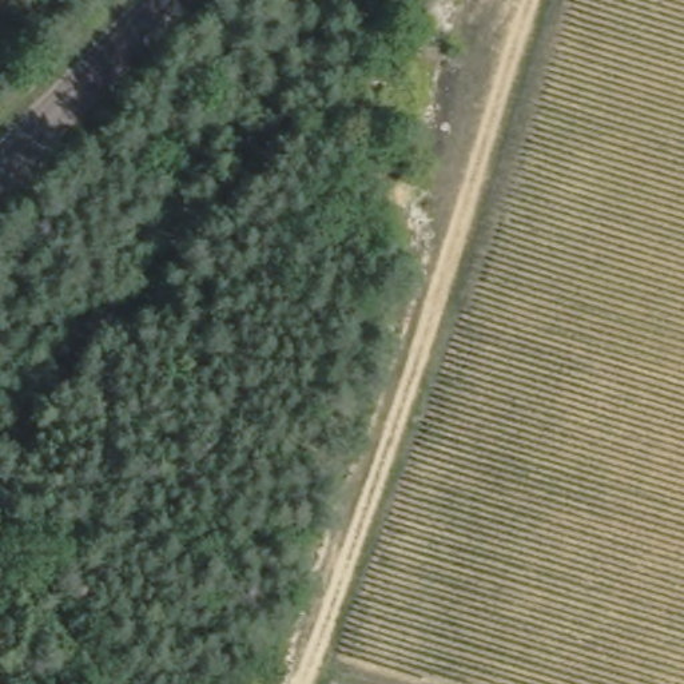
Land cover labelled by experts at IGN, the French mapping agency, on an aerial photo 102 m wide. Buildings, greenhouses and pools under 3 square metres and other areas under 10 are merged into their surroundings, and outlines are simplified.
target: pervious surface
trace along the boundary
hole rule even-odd
[[[516,0],[516,16],[500,45],[478,131],[468,155],[462,184],[457,190],[438,265],[428,283],[419,326],[409,353],[395,393],[377,444],[374,454],[369,478],[363,484],[342,550],[334,561],[331,580],[326,585],[321,601],[310,641],[302,652],[302,663],[291,676],[286,676],[283,684],[315,684],[361,548],[377,513],[385,481],[395,462],[398,444],[406,430],[425,366],[430,361],[430,347],[436,342],[436,331],[446,305],[473,224],[478,195],[486,182],[489,158],[502,126],[508,96],[518,75],[526,40],[534,27],[540,0]]]

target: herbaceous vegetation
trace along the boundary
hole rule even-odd
[[[382,390],[374,401],[366,436],[377,444],[395,393]]]
[[[21,11],[27,8],[24,0],[0,0],[0,51],[11,43],[11,37],[24,32],[19,21],[24,16]]]
[[[302,663],[302,652],[310,641],[321,601],[310,609],[302,609],[299,620],[291,628],[289,636],[286,676],[291,676]]]
[[[542,59],[542,51],[550,43],[548,32],[556,24],[564,0],[540,0],[534,27],[526,40],[518,75],[508,96],[502,126],[489,158],[486,182],[478,195],[473,224],[446,305],[454,313],[476,313],[478,299],[468,297],[468,283],[489,278],[489,267],[505,232],[502,198],[516,198],[518,192],[524,192],[524,184],[529,184],[524,168],[532,142],[542,128],[542,112],[553,83],[553,61]]]
[[[430,192],[403,182],[398,182],[393,190],[393,203],[406,216],[406,227],[411,232],[409,248],[419,259],[419,270],[425,275],[419,283],[414,283],[401,321],[398,347],[409,353],[419,326],[428,283],[438,265],[457,190],[462,184],[468,155],[478,131],[500,45],[516,16],[516,0],[436,0],[430,5],[430,13],[444,32],[449,37],[449,56],[457,56],[457,61],[452,69],[444,69],[438,75],[433,107],[425,107],[419,118],[422,123],[430,120],[433,152],[441,158],[441,174]]]
[[[358,452],[355,446],[337,454],[337,486],[329,492],[323,534],[318,556],[313,561],[313,572],[321,574],[326,585],[331,580],[334,561],[342,550],[363,484],[369,478],[374,454]]]

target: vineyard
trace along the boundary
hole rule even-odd
[[[468,283],[468,297],[478,299],[476,313],[454,313],[446,305],[436,331],[436,342],[430,347],[430,361],[425,366],[406,430],[398,444],[395,462],[385,481],[377,513],[361,548],[315,684],[684,684],[684,0],[564,0],[556,24],[548,32],[550,43],[542,51],[542,59],[553,61],[553,83],[542,112],[542,128],[532,142],[524,168],[529,184],[524,184],[524,192],[518,192],[516,198],[502,198],[505,232],[489,267],[489,278]]]

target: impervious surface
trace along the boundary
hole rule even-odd
[[[35,91],[27,99],[21,115],[13,115],[11,120],[0,123],[0,214],[8,214],[11,206],[21,206],[16,195],[21,190],[43,182],[69,152],[83,150],[83,142],[94,131],[120,118],[126,96],[136,83],[144,80],[144,69],[152,69],[160,59],[174,53],[174,40],[179,29],[192,27],[203,19],[203,13],[198,11],[198,0],[123,0],[110,11],[107,24],[94,32],[83,51],[72,56],[67,72],[45,88]]]

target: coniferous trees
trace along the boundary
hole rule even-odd
[[[390,128],[398,112],[419,118],[425,107],[433,107],[438,75],[444,69],[452,69],[457,61],[457,56],[449,56],[449,37],[444,32],[436,37],[430,48],[417,51],[403,77],[366,77],[363,96],[337,102],[329,94],[331,88],[326,86],[323,75],[350,75],[355,67],[363,67],[374,51],[374,40],[379,32],[398,32],[398,16],[406,8],[406,0],[198,0],[198,11],[203,13],[203,19],[192,27],[179,29],[174,40],[174,53],[160,59],[152,69],[144,69],[144,80],[136,83],[126,96],[120,118],[94,131],[83,142],[83,150],[69,152],[43,182],[21,190],[16,195],[21,206],[11,206],[8,214],[0,214],[0,542],[5,540],[13,518],[27,518],[29,513],[69,518],[72,537],[77,542],[75,564],[61,566],[43,590],[21,588],[19,604],[8,604],[8,609],[0,612],[0,684],[86,684],[86,665],[69,668],[64,663],[67,657],[61,655],[61,641],[69,636],[86,636],[94,612],[104,612],[118,633],[115,652],[126,660],[126,668],[131,673],[128,684],[222,684],[230,668],[246,668],[257,657],[248,633],[257,617],[262,617],[273,631],[289,636],[291,628],[286,625],[286,612],[297,596],[294,572],[299,569],[299,564],[291,548],[305,529],[318,529],[323,534],[329,492],[337,486],[337,454],[355,446],[358,452],[374,454],[377,444],[366,436],[374,401],[382,390],[395,393],[409,353],[398,347],[401,321],[414,283],[419,283],[425,275],[419,270],[419,259],[409,248],[398,248],[393,240],[385,248],[358,246],[358,238],[353,238],[350,232],[339,243],[323,243],[321,227],[326,206],[331,200],[345,200],[350,192],[350,187],[345,187],[339,179],[350,166],[353,152],[369,150],[369,144],[387,147]],[[208,83],[208,69],[214,64],[224,64],[224,69],[235,77],[235,94],[216,112],[211,112],[206,104],[192,102],[198,91]],[[155,142],[174,142],[184,155],[174,166],[155,168],[147,158]],[[395,286],[395,294],[387,299],[382,321],[374,323],[366,315],[363,294],[369,289],[382,286],[385,281]]]
[[[27,99],[35,91],[45,88],[43,83],[32,83],[13,88],[19,77],[19,61],[40,43],[61,43],[64,51],[72,56],[83,51],[94,32],[107,24],[110,11],[123,0],[24,0],[27,8],[21,11],[24,16],[19,21],[24,32],[11,37],[11,43],[0,51],[0,123],[11,120],[13,115],[21,115]]]

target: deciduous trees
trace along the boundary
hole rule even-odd
[[[257,657],[246,668],[230,668],[222,684],[283,684],[286,676],[289,636],[273,631],[262,617],[257,617],[248,633]]]
[[[40,43],[19,61],[19,77],[13,88],[32,83],[43,83],[45,88],[67,72],[72,56],[64,51],[61,43]]]
[[[358,238],[358,246],[385,248],[393,240],[398,248],[409,248],[411,232],[406,227],[406,216],[393,203],[393,190],[398,182],[403,182],[430,192],[441,174],[441,158],[433,152],[430,120],[422,123],[419,118],[398,112],[390,128],[387,147],[369,144],[369,150],[353,152],[350,166],[339,179],[345,187],[350,187],[350,192],[345,200],[331,200],[326,206],[321,227],[323,243],[339,243],[350,232],[353,238]]]
[[[69,636],[61,641],[61,655],[67,657],[64,663],[69,668],[86,665],[86,684],[128,684],[131,673],[126,668],[126,660],[115,652],[118,633],[104,612],[94,612],[86,636]]]
[[[321,574],[313,572],[313,561],[318,556],[323,534],[318,529],[305,529],[291,548],[299,564],[299,569],[294,572],[297,596],[286,612],[286,625],[291,628],[299,620],[302,609],[310,609],[321,601],[326,585]]]
[[[5,540],[0,542],[0,612],[8,609],[8,604],[19,604],[21,588],[43,590],[61,566],[75,564],[77,542],[72,537],[69,518],[29,513],[27,518],[13,518]]]
[[[211,112],[216,112],[235,94],[235,77],[224,69],[224,64],[214,64],[208,69],[208,83],[198,91],[192,102],[206,104]]]
[[[184,155],[174,142],[155,142],[147,158],[155,168],[174,166]]]
[[[363,67],[355,67],[350,75],[323,75],[326,86],[331,88],[329,94],[337,102],[363,96],[366,77],[403,77],[417,51],[430,48],[436,37],[444,32],[430,13],[430,5],[436,0],[406,0],[406,8],[398,16],[398,32],[379,32],[374,40],[374,51]]]
[[[366,315],[374,323],[382,321],[387,299],[395,294],[395,286],[385,281],[382,286],[369,289],[363,294]]]

